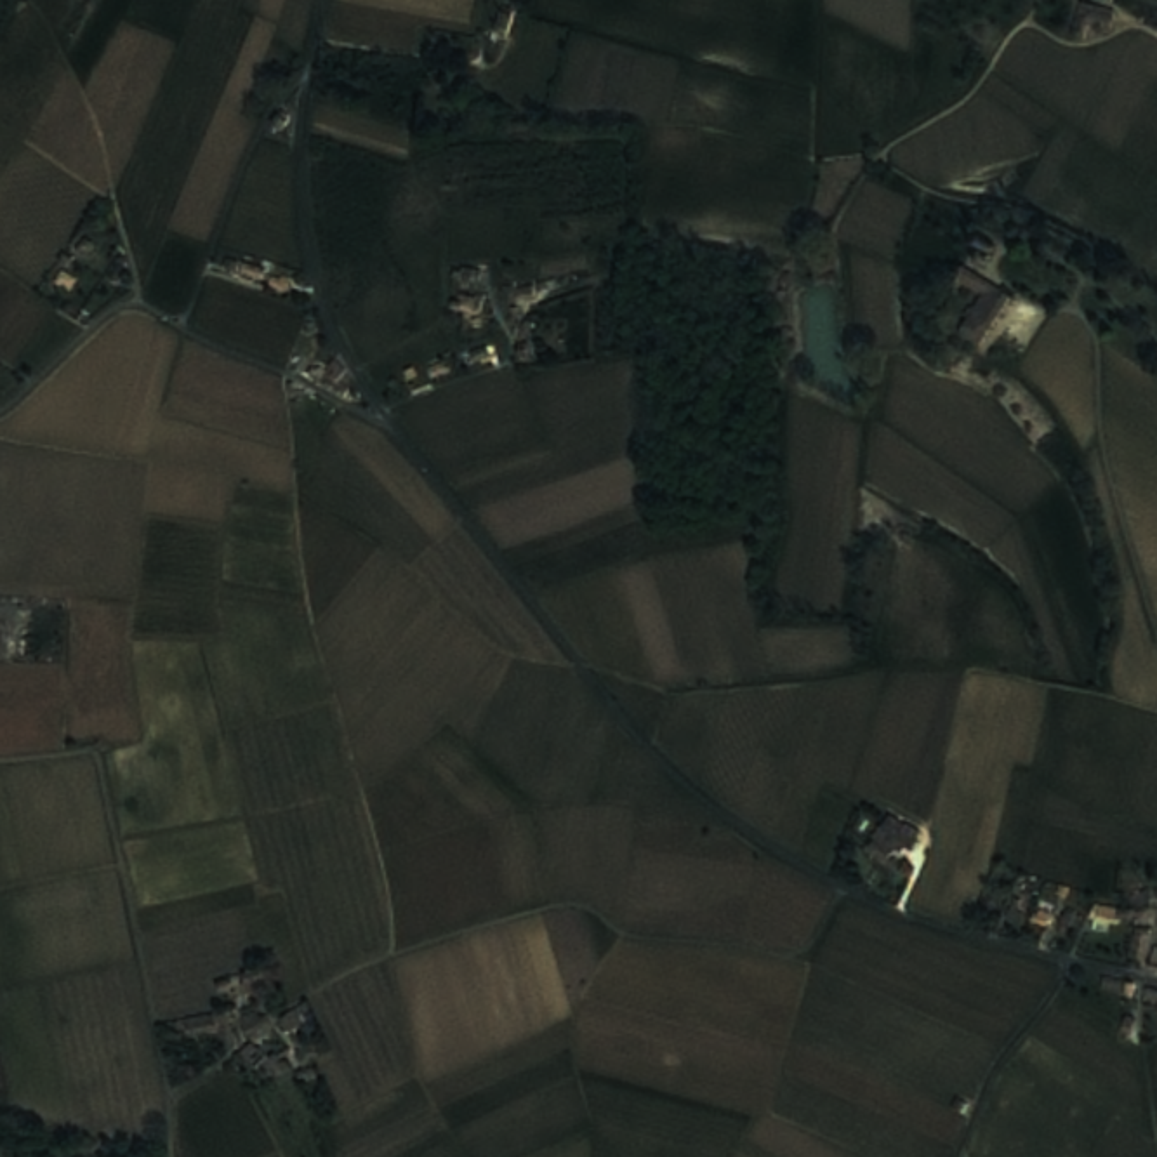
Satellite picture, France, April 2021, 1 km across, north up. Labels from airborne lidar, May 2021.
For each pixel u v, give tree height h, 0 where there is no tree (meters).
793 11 0
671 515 22
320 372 0
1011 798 0
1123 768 0
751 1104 0
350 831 0
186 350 0
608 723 0
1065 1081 0
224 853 0
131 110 0
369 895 0
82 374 0
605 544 0
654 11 0
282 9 0
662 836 0
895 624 0
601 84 0
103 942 0
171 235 0
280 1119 0
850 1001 0
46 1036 0
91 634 0
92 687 0
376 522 0
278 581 0
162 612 0
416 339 0
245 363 0
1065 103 0
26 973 0
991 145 0
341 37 0
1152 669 0
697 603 0
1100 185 0
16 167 0
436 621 0
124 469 0
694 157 0
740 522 14
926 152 0
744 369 18
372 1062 0
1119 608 13
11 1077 0
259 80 13
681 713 0
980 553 7
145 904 0
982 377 0
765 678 0
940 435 0
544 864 0
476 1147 0
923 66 0
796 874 0
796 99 0
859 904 0
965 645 0
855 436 0
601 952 0
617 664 0
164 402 0
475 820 0
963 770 0
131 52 0
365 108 16
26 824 0
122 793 0
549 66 0
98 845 0
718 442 16
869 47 0
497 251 0
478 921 0
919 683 0
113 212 9
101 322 0
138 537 0
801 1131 0
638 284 16
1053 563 0
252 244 0
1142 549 0
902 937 0
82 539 0
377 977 0
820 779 0
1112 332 14
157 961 0
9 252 0
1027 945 0
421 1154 0
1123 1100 0
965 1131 0
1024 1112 0
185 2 0
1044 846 0
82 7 0
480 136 8
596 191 6
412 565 0
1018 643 0
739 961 0
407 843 0
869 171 9
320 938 0
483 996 0
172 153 0
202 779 0
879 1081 0
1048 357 0
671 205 0
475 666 0
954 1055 0
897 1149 0
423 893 0
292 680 0
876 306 0
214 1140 0
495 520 0
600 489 0
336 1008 0
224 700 0
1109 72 0
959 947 0
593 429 0
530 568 0
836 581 0
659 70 0
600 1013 0
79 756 0
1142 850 0
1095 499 15
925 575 0
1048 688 0
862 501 0
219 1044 7
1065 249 14
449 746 0
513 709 0
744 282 14
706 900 0
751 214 0
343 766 0
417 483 0
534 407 0
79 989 0
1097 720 0
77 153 0
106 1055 0
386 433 0
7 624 0
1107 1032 0
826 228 21
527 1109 0
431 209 0
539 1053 0
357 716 0
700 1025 0
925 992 0
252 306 0
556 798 0
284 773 0
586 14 0
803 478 0
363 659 0
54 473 0
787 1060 0
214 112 0
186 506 0
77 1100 0
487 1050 0
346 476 0
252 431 0
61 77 0
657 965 0
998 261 0
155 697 0
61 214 0
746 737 0
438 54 11
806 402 0
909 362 0
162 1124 16
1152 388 0
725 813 0
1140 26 0
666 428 20
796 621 8
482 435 0
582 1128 0
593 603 0
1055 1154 0
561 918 0
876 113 0
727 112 0
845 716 0
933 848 0
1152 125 0
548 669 0
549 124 20
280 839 0
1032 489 0
